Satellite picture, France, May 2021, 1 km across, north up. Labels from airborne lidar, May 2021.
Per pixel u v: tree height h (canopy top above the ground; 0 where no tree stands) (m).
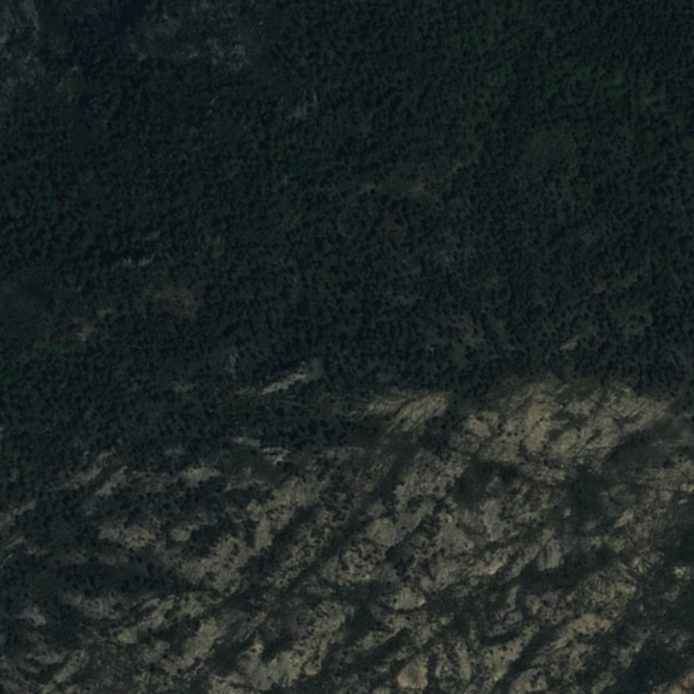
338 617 0
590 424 0
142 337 23
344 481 9
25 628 7
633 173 21
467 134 21
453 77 24
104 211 17
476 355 16
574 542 0
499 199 12
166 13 8
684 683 0
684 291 25
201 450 21
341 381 15
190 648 0
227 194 13
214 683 0
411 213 21
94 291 20
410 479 0
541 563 0
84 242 25
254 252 25
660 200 23
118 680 0
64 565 16
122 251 15
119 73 16
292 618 0
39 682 9
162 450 7
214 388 6
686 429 0
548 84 21
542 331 12
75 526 22
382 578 0
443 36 18
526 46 16
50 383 18
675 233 31
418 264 7
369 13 8
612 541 0
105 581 8
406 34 18
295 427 9
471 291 12
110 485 0
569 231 21
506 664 0
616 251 15
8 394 20
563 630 0
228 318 28
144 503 9
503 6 20
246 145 17
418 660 0
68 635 6
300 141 16
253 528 8
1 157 13
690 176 16
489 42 25
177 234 24
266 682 0
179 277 18
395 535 0
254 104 10
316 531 8
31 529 16
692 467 0
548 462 7
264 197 15
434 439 8
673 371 15
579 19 24
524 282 18
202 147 9
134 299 15
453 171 14
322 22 6
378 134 6
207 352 17
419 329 12
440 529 6
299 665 0
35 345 12
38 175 17
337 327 20
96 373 20
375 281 14
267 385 9
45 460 18
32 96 6
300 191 11
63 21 7
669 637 0
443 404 0
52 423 12
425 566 8
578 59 22
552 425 0
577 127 26
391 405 0
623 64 19
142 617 10
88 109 16
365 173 15
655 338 25
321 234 29
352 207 24
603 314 16
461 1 21
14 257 23
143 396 22
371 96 16
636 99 19
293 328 15
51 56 16
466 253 11
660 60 17
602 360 23
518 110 18
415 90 16
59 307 19
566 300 14
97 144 6
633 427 0
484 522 0
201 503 15
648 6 24
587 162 11
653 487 0
